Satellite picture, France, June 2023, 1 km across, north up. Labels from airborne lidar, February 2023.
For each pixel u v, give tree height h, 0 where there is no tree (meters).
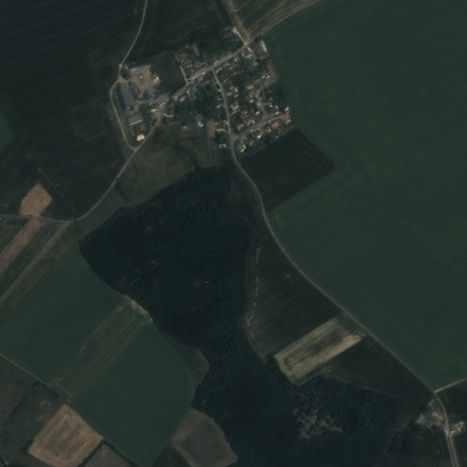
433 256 0
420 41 0
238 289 18
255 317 0
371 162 0
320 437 22
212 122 0
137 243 17
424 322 0
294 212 0
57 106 0
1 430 0
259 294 0
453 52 0
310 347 0
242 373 20
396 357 0
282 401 21
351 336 0
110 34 0
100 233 16
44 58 0
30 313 0
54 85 0
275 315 0
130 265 15
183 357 0
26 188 0
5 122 0
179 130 0
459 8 0
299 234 0
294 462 22
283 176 0
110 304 0
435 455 0
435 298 0
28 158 0
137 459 0
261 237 0
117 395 0
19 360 0
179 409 0
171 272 14
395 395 0
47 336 0
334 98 0
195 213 10
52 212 0
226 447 0
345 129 0
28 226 0
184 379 0
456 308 0
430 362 0
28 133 0
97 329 0
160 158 0
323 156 0
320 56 0
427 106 0
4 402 0
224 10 0
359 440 19
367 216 0
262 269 0
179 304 19
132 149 0
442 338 0
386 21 0
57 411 0
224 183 13
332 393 10
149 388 0
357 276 0
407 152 0
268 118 0
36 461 0
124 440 0
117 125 0
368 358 0
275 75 0
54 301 0
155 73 0
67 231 0
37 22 0
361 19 0
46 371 0
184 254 13
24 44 0
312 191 0
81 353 0
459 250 0
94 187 0
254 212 0
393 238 0
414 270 0
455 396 0
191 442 0
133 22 0
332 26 0
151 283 15
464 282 0
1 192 0
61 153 0
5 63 0
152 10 0
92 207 0
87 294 0
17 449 0
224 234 15
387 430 16
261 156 0
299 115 0
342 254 0
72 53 0
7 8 0
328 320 0
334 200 0
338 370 0
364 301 0
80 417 0
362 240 0
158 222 17
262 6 0
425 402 0
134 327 0
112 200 0
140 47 0
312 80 0
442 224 0
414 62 0
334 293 0
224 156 0
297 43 0
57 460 0
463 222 0
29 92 0
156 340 0
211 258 9
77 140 0
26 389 0
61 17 0
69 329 0
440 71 0
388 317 0
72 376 0
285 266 0
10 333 0
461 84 0
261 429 19
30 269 0
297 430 19
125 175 0
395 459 0
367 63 0
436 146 0
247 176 0
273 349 0
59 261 0
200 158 0
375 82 0
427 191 0
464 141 0
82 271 0
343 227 0
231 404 20
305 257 0
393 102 0
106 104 0
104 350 0
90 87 0
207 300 20
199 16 0
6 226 0
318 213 0
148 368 0
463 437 0
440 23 0
